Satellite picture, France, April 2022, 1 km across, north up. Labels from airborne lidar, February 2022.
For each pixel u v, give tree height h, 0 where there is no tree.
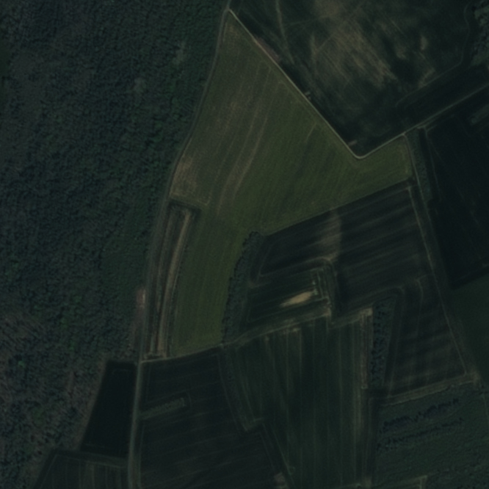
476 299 0
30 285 23
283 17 0
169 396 0
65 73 11
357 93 0
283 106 0
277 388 0
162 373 0
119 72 16
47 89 7
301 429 0
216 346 0
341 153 0
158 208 11
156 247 0
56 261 23
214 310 0
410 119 0
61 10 20
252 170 0
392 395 0
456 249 0
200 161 0
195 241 0
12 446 21
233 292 12
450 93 0
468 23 0
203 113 0
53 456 0
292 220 0
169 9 16
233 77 0
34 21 21
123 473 0
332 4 0
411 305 0
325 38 0
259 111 0
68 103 22
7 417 20
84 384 17
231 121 0
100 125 19
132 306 7
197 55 11
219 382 0
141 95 28
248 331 0
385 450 10
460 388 9
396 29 0
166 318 0
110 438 0
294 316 0
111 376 0
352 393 0
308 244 0
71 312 21
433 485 10
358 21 0
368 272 0
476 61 16
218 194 0
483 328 0
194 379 0
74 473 0
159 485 0
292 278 0
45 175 21
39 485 0
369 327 0
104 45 16
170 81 18
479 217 0
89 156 14
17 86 13
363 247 0
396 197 0
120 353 18
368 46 0
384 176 0
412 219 0
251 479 0
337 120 0
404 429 20
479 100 0
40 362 19
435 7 0
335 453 0
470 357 0
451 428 15
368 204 0
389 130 0
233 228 0
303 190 0
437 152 0
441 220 0
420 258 0
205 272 0
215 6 8
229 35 0
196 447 0
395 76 0
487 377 0
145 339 0
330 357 0
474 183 0
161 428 0
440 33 0
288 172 0
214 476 0
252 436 0
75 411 7
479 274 0
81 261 20
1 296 22
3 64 0
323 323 0
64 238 21
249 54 0
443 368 0
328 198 0
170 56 13
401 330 0
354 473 0
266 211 0
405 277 0
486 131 0
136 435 0
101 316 18
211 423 0
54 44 16
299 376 0
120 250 13
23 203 19
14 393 23
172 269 0
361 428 0
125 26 19
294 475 0
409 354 0
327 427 0
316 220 0
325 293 0
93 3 13
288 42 0
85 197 24
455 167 0
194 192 0
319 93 0
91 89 21
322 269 0
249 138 0
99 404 0
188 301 0
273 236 0
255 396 0
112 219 19
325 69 0
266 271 0
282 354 0
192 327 0
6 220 21
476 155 0
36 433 21
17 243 18
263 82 0
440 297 0
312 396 0
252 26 0
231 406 0
